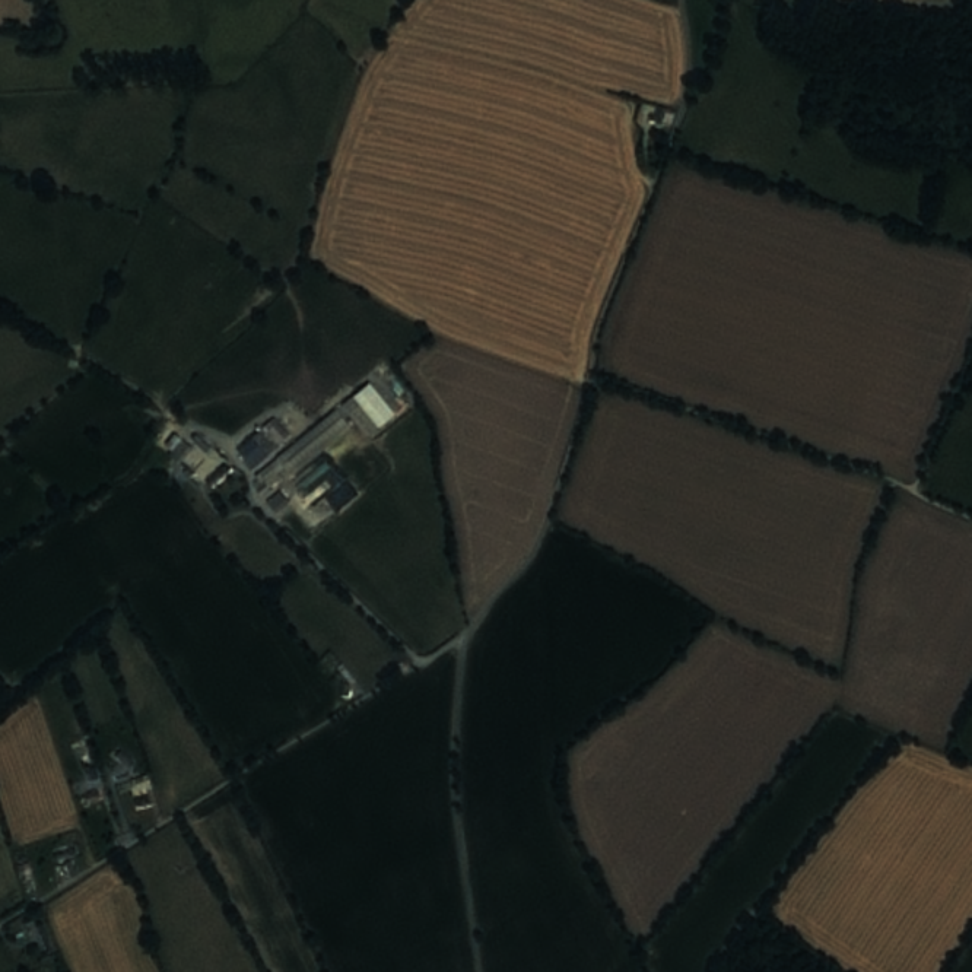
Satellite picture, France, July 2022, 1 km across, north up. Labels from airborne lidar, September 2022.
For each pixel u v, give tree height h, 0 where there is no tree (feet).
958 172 0
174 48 0
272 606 58
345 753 0
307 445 0
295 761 0
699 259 0
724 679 0
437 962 0
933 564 0
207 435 0
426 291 0
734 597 0
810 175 0
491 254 0
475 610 0
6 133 0
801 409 0
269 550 0
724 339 0
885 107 57
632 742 0
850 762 0
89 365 44
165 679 33
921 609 0
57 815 0
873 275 0
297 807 0
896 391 0
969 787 0
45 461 0
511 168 0
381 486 0
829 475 0
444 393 0
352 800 0
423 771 0
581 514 0
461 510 0
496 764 0
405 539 0
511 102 0
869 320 0
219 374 0
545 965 0
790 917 0
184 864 0
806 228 0
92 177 0
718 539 0
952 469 0
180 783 0
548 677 0
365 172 0
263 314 51
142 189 0
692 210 0
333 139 0
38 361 0
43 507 0
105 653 50
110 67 103
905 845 0
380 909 0
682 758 0
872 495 0
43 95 0
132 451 0
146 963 0
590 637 0
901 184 0
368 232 0
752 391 0
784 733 0
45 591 0
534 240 0
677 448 0
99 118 0
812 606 0
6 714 52
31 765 0
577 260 0
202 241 0
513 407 0
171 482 44
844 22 83
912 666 0
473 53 0
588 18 0
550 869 0
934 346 0
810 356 0
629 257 33
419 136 0
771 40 98
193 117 0
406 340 0
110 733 0
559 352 0
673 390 0
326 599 0
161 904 0
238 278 0
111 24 0
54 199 50
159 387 0
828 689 0
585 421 46
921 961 0
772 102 0
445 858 0
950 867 0
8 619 0
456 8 0
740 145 0
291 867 0
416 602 0
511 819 0
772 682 0
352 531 0
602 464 0
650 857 0
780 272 0
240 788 41
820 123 56
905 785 0
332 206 0
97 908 0
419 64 0
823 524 0
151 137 0
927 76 86
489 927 0
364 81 0
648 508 0
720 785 0
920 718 0
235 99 0
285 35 0
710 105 0
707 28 0
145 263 0
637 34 0
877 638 0
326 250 0
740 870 0
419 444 0
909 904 0
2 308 64
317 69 0
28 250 0
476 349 0
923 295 0
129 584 0
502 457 0
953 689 0
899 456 0
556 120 0
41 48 35
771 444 50
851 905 0
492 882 0
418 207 0
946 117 91
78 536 0
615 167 0
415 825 0
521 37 0
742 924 52
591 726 38
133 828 21
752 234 0
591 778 0
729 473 0
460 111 0
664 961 0
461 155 0
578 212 0
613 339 0
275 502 0
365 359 0
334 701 0
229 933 0
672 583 28
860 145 110
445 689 0
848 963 0
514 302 0
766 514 0
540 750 0
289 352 0
